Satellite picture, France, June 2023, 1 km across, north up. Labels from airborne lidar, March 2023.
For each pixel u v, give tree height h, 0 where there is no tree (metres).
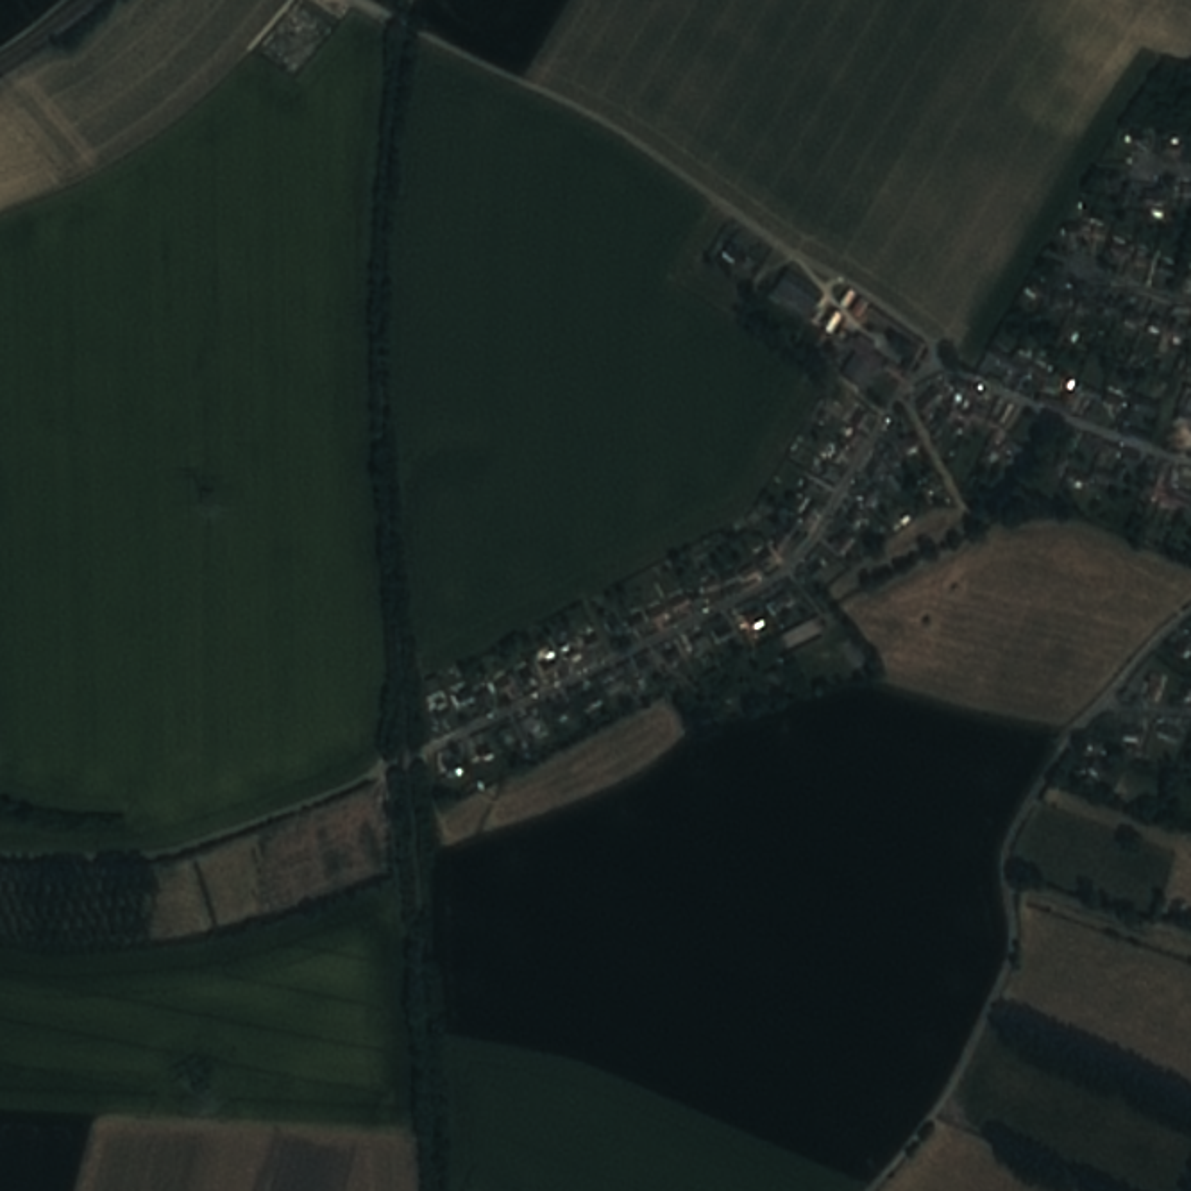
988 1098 0
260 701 0
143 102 0
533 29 0
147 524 0
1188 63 8
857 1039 0
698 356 0
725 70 0
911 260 0
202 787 0
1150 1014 0
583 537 0
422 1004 20
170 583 0
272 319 0
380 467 14
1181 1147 0
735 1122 0
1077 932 0
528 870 0
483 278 0
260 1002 0
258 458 0
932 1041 0
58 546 0
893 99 0
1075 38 0
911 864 0
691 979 0
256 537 0
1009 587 0
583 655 0
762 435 0
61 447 0
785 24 0
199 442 0
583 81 0
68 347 0
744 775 0
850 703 0
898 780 0
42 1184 0
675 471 0
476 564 0
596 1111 0
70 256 0
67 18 0
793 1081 0
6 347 0
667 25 0
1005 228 0
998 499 22
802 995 0
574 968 0
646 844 0
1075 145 0
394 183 11
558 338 0
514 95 0
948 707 0
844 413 0
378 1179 0
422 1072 18
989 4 0
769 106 0
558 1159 0
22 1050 0
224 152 0
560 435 0
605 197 0
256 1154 0
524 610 0
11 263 0
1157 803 8
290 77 0
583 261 0
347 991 0
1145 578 0
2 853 0
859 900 0
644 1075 0
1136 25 0
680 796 0
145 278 0
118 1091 0
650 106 0
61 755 0
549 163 0
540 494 0
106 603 0
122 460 0
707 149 0
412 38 8
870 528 0
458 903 0
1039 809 0
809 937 0
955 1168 0
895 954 0
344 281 0
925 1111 0
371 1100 0
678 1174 0
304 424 0
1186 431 0
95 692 0
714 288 0
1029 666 0
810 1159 0
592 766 0
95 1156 0
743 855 0
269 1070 0
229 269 0
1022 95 0
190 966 0
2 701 0
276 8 0
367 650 0
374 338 10
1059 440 18
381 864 30
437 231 0
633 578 0
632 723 0
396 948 0
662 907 0
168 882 0
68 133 0
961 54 0
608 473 0
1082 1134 0
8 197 0
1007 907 0
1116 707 0
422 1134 13
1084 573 0
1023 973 0
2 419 0
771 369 0
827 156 0
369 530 0
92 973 0
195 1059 0
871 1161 0
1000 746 0
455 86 0
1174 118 7
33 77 0
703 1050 0
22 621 0
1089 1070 36
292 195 0
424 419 0
